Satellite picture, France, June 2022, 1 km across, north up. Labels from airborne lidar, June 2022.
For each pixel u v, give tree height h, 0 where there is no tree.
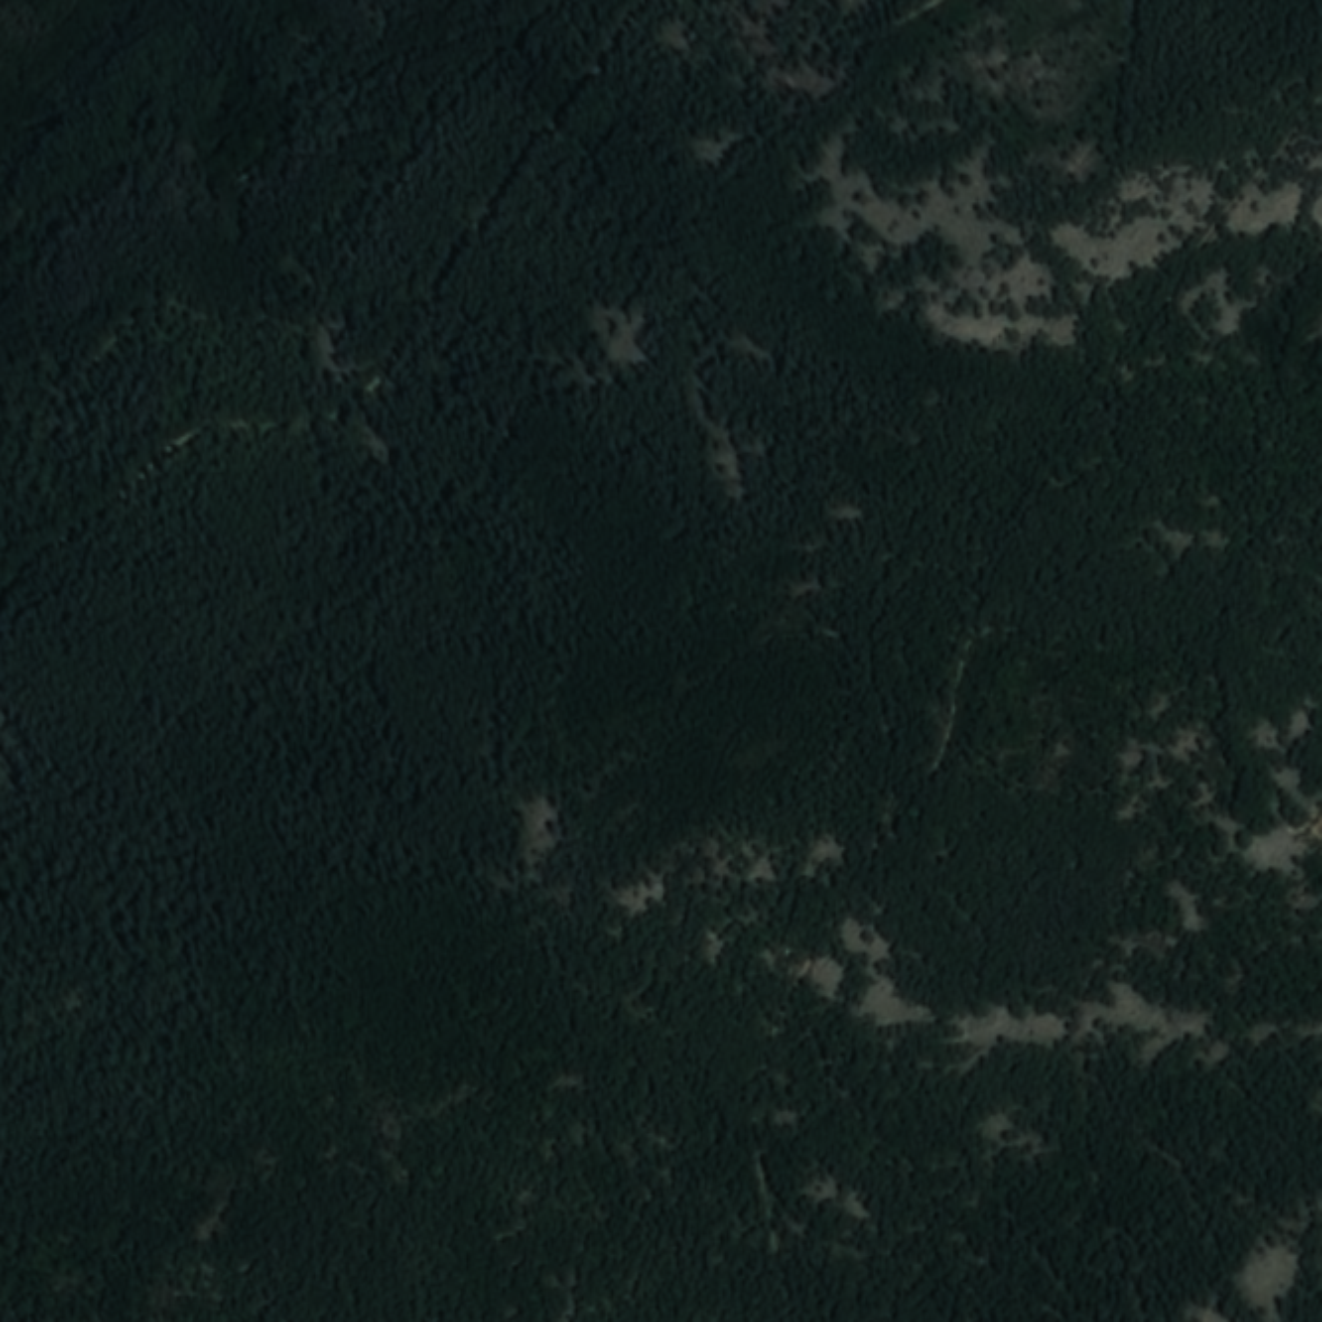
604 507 14
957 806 18
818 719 9
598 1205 11
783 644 11
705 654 9
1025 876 18
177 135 16
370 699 14
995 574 16
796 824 17
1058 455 16
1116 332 13
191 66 29
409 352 20
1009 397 19
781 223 12
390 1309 20
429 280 23
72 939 15
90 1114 16
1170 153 12
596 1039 20
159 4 21
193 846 25
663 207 20
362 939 11
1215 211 15
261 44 25
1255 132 12
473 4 16
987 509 15
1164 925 15
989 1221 15
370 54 12
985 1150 15
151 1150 10
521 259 19
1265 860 0
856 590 18
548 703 20
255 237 22
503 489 18
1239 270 16
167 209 18
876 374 14
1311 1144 10
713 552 11
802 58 19
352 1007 13
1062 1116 12
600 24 16
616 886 11
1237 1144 15
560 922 14
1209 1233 13
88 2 20
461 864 9
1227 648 24
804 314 14
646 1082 12
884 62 14
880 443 7
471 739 20
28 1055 9
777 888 9
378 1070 6
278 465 21
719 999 9
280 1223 16
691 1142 19
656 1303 9
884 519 13
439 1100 10
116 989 16
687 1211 14
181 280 18
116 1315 9
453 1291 20
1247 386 16
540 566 24
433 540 28
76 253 16
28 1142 9
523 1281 16
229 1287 16
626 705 9
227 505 19
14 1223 14
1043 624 20
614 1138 16
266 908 16
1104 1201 17
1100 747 16
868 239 10
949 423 17
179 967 10
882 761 16
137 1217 10
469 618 19
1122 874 15
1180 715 13
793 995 14
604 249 20
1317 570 18
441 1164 13
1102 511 16
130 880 24
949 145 15
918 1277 13
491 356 17
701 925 16
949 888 17
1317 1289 17
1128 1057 15
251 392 16
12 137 22
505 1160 13
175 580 20
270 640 27
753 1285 16
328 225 18
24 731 18
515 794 7
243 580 24
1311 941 19
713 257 21
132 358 10
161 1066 10
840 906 12
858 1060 19
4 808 20
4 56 12
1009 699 13
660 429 21
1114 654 8
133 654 22
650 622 14
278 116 15
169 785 18
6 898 9
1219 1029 7
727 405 18
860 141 12
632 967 14
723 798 10
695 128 15
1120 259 0
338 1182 9
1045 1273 20
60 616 20
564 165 22
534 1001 8
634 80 17
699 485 18
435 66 20
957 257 8
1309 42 19
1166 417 15
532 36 22
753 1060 17
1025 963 20
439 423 24
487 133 21
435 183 18
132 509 22
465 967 8
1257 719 8
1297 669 15
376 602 14
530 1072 14
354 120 24
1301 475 13
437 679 21
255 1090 8
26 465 19
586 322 16
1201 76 19
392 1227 12
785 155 12
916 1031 16
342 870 20
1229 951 14
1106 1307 9
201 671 26
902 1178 17
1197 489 17
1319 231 12
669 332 18
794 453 6
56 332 18
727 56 20
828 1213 19
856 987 16
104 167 24
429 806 23
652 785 9
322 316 13
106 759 21
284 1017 9
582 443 17
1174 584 19
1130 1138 12
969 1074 6
